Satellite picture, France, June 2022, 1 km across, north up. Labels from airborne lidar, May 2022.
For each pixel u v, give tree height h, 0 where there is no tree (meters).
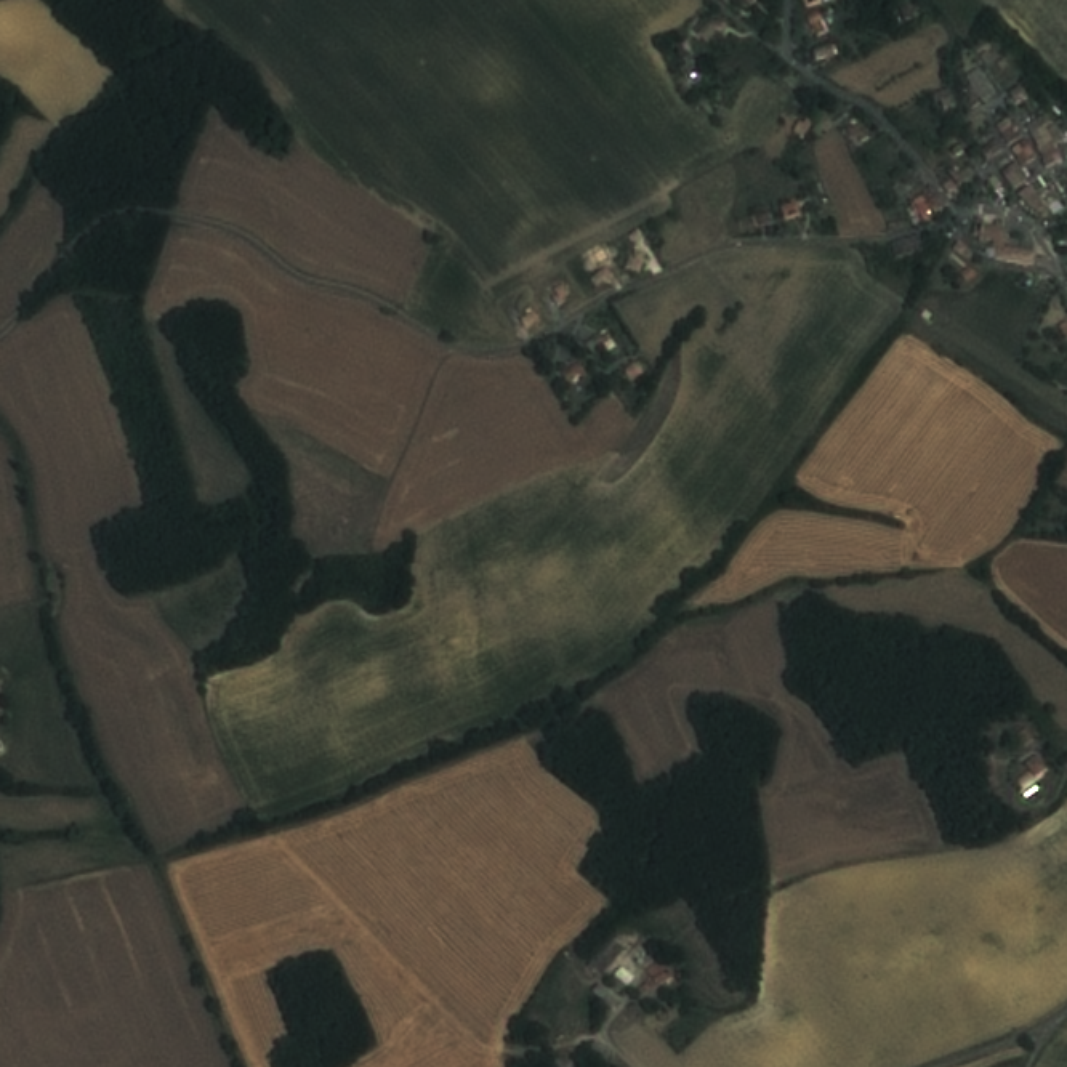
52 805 0
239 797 0
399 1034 0
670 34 8
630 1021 0
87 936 0
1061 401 0
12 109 11
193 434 0
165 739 0
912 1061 0
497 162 0
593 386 9
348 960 0
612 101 0
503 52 0
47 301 13
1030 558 0
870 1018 0
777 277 0
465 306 0
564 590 0
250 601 18
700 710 18
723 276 0
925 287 13
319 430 0
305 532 0
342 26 0
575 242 0
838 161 0
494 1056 0
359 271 0
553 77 0
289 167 0
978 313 0
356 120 0
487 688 0
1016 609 13
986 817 12
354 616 0
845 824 0
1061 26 0
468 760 0
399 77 0
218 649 17
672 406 0
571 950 0
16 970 0
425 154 0
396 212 0
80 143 20
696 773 16
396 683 0
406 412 0
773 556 0
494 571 0
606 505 0
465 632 0
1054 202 0
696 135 0
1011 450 0
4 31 0
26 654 0
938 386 0
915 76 0
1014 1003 0
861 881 0
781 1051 0
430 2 0
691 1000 6
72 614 0
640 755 0
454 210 0
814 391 0
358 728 0
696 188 0
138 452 7
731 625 0
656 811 18
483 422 0
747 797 18
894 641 12
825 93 15
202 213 0
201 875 0
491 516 0
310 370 0
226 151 0
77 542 0
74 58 0
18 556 0
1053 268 0
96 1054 0
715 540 0
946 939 0
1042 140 0
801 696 11
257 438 15
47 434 0
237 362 10
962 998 0
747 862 16
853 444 0
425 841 0
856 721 19
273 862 0
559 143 0
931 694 18
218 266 0
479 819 0
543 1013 0
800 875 0
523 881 0
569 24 0
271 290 0
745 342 0
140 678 0
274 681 0
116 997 0
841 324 0
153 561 19
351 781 0
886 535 0
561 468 0
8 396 0
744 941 10
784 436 0
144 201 15
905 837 0
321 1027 21
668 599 17
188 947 9
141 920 0
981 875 0
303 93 0
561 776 17
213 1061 0
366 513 0
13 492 0
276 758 0
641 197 0
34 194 0
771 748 17
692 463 0
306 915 0
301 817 9
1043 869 0
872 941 0
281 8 0
